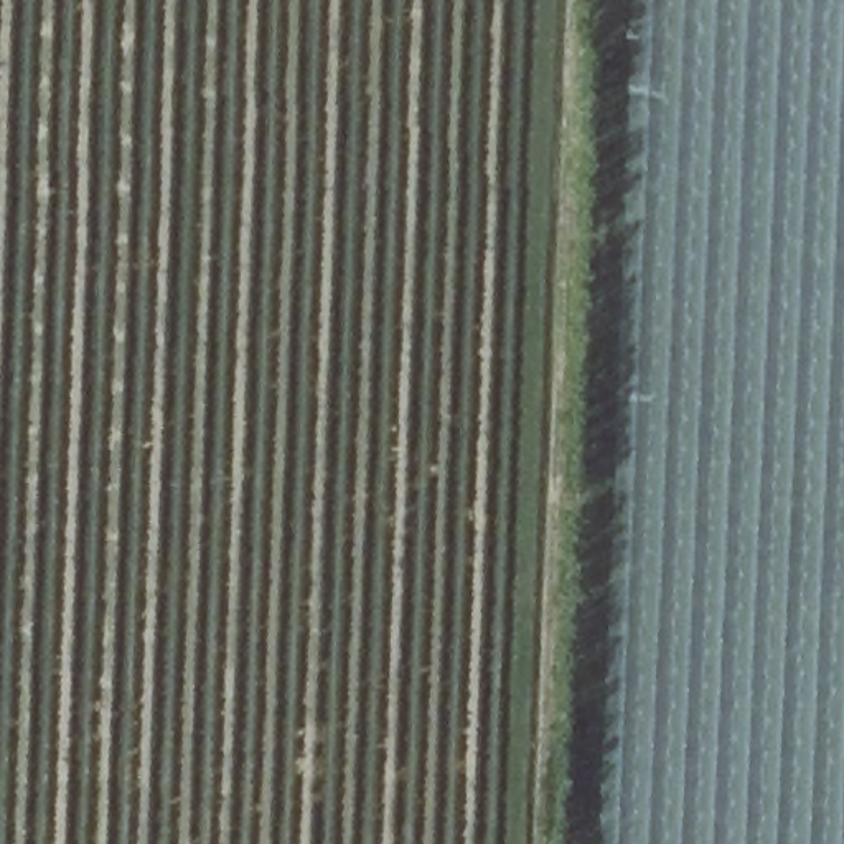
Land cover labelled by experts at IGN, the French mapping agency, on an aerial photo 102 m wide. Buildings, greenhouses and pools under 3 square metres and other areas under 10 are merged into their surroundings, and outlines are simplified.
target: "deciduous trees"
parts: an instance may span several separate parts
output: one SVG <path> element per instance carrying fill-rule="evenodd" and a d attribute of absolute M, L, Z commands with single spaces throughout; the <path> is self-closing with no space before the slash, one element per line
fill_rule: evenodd
<path fill-rule="evenodd" d="M 580 69 L 580 86 L 593 86 L 597 148 L 590 208 L 590 313 L 587 359 L 580 373 L 567 373 L 567 406 L 560 412 L 567 425 L 567 462 L 560 495 L 564 554 L 554 590 L 554 603 L 564 617 L 554 666 L 557 715 L 551 722 L 551 739 L 564 739 L 570 745 L 564 844 L 844 844 L 844 0 L 590 0 L 590 49 L 584 53 Z"/>

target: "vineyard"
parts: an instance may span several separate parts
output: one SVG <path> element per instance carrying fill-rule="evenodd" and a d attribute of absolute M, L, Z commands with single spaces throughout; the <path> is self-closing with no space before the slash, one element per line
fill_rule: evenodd
<path fill-rule="evenodd" d="M 0 844 L 564 844 L 570 745 L 564 739 L 551 739 L 551 722 L 557 715 L 554 666 L 564 617 L 554 603 L 554 590 L 564 554 L 560 495 L 567 462 L 567 425 L 560 412 L 567 406 L 567 373 L 580 373 L 587 359 L 590 313 L 590 208 L 597 148 L 593 86 L 580 86 L 580 69 L 584 53 L 590 49 L 590 0 L 0 0 Z"/>

